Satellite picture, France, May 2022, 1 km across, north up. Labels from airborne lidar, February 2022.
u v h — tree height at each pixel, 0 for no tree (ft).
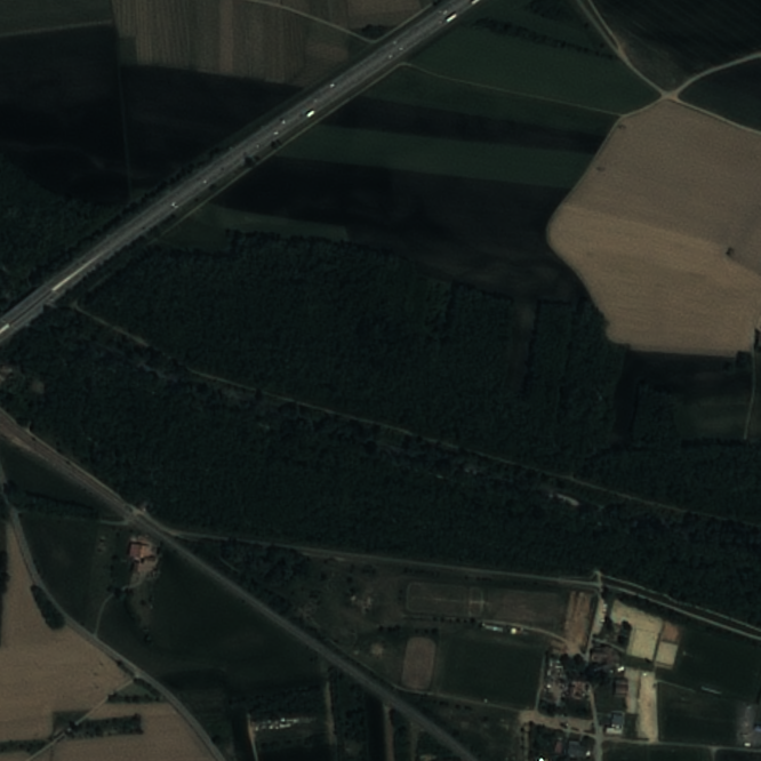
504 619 0
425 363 0
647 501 0
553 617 0
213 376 0
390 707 0
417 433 0
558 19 18
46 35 0
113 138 0
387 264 63
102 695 0
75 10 0
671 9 0
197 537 0
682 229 0
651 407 29
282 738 0
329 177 0
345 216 0
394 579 0
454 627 0
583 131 0
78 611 0
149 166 0
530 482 58
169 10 0
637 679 0
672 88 0
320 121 0
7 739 0
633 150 0
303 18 0
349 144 0
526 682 0
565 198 0
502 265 0
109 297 0
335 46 0
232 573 20
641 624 0
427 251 0
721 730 0
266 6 0
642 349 0
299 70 0
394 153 0
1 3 0
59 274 0
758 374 0
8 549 0
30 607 0
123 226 0
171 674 0
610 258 0
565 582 0
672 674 0
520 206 0
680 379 0
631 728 0
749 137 0
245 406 25
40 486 0
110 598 0
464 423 72
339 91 0
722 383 0
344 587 0
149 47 0
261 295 0
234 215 0
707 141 0
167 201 0
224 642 0
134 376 68
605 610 0
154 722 0
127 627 0
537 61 0
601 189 0
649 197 0
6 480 0
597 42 0
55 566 0
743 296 0
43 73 0
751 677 0
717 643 0
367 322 68
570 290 0
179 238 0
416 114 0
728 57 0
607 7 0
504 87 0
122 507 0
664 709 0
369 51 0
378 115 0
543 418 22
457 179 0
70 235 0
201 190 0
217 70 0
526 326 0
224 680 0
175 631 0
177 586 0
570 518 42
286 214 0
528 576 0
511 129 0
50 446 0
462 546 69
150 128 0
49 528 0
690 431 0
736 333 0
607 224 0
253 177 0
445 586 0
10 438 0
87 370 66
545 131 0
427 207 0
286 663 0
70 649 0
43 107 0
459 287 48
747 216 0
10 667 0
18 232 0
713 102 0
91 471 0
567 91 0
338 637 0
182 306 0
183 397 77
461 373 0
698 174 0
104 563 0
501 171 0
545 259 0
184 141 0
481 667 0
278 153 0
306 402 0
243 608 0
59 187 0
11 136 0
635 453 40
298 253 50
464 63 0
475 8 0
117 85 0
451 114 0
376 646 0
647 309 0
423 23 0
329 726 0
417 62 0
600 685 61
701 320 0
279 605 52
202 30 0
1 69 0
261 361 0
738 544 65
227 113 0
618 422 0
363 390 73
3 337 0
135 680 0
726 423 0
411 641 0
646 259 0
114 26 0
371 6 0
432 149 0
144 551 0
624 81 0
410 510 64
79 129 0
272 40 0
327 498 50
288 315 0
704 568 69
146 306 0
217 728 0
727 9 0
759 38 0
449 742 0
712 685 0
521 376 0
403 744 20
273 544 0
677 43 0
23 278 0
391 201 0
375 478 0
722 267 0
